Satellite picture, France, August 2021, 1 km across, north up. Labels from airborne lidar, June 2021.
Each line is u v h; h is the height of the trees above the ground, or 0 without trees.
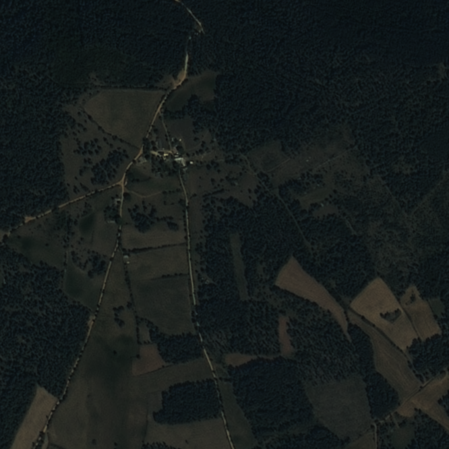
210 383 13
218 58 18
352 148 12
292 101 13
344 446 16
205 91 0
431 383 0
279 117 13
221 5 15
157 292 0
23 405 16
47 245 9
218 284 14
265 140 10
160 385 0
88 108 0
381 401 18
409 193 12
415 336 0
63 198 10
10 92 11
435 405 0
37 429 0
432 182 12
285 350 0
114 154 11
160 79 11
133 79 7
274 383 18
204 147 8
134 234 0
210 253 8
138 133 0
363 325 0
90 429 0
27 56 17
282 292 15
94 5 18
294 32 19
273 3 24
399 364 0
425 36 11
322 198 0
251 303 11
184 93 0
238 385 13
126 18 12
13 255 12
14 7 16
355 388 0
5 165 15
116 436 0
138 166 0
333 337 17
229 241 15
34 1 8
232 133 15
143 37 12
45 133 15
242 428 0
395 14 12
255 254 12
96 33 17
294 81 13
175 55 17
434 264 13
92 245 0
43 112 16
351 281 10
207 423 0
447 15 8
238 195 0
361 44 10
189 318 0
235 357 0
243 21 15
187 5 16
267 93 15
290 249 17
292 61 20
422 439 8
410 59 12
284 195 21
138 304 0
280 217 14
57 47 7
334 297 6
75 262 9
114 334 0
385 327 0
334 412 0
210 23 16
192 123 0
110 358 0
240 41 16
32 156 15
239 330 16
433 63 14
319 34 20
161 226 0
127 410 0
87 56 6
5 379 12
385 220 6
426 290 16
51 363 14
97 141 11
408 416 0
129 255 7
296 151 16
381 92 15
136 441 0
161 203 0
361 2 14
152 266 0
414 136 10
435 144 13
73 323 20
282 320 0
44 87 13
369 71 19
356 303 0
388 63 19
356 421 0
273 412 19
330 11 13
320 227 12
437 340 15
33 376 15
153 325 12
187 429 0
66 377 10
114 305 0
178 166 11
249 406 16
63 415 0
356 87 15
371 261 9
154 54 18
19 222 14
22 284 11
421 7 10
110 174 9
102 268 15
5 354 13
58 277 14
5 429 16
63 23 8
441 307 0
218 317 16
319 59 20
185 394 17
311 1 12
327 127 12
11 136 19
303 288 0
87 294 0
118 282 0
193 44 9
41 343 16
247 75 17
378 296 0
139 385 0
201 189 0
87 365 0
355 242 19
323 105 16
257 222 19
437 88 6
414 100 10
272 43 15
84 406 0
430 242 6
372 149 12
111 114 0
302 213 13
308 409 16
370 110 15
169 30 12
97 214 0
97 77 6
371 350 14
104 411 0
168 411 15
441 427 8
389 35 15
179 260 0
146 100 0
